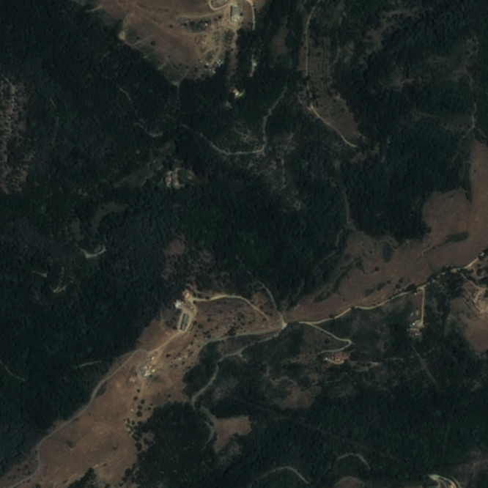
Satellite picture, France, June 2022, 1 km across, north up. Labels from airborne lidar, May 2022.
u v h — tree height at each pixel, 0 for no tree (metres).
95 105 14
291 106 6
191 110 14
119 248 9
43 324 16
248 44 11
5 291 20
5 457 9
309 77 12
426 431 13
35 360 16
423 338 6
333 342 0
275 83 16
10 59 15
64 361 11
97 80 14
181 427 11
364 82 15
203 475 11
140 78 15
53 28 19
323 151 11
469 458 0
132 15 0
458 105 8
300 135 6
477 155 0
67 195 12
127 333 11
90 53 9
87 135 18
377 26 11
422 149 13
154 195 15
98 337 19
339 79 9
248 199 13
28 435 15
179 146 19
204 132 11
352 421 9
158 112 12
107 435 0
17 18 16
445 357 12
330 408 17
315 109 0
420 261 0
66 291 6
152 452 10
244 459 14
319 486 9
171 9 0
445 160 10
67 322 11
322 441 10
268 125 12
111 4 0
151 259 14
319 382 8
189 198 17
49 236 15
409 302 0
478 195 0
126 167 14
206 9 0
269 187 6
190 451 11
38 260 13
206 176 14
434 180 11
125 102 11
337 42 8
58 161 9
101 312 14
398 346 9
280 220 13
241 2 0
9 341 17
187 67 6
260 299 0
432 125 6
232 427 0
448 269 10
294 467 5
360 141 6
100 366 7
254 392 12
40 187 12
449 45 7
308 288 9
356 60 11
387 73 9
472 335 0
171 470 9
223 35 0
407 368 7
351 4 13
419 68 8
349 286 0
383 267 0
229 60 7
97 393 0
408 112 8
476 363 6
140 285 8
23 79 15
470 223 0
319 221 7
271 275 12
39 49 14
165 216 14
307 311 0
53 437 0
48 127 6
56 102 9
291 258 20
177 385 0
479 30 12
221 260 10
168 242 10
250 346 8
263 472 14
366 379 9
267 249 17
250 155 10
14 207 14
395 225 11
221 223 12
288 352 7
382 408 14
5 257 19
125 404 0
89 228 13
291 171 6
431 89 7
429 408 24
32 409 10
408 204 9
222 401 11
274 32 12
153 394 0
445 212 0
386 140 16
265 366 7
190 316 0
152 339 0
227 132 8
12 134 12
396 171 7
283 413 13
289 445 11
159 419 9
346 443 10
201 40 0
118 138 10
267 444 14
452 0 14
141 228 9
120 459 0
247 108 13
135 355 0
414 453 14
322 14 8
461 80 6
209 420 7
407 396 10
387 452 9
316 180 11
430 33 15
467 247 0
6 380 10
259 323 0
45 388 13
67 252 12
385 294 0
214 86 13
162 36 0
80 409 0
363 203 15
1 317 18
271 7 13
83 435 0
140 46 0
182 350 0
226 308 0
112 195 22
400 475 14
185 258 11
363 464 6
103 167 11
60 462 0
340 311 0
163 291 10
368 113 16
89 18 8
